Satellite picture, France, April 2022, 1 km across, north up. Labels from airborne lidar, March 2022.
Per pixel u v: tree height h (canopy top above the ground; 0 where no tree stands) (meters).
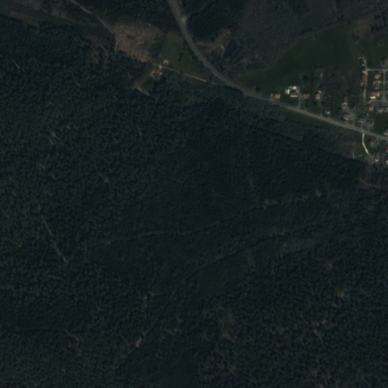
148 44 7
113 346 36
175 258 17
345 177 35
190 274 12
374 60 0
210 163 20
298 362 32
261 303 26
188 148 16
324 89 10
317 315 31
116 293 29
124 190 31
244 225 17
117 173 7
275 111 9
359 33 0
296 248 14
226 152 19
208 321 8
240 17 14
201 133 15
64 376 25
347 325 31
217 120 18
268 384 15
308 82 25
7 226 35
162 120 7
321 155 25
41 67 15
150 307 17
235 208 19
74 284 34
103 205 15
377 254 23
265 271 15
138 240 11
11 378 27
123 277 19
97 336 27
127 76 35
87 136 28
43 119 29
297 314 27
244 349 5
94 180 32
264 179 21
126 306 29
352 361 12
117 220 33
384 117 0
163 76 0
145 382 11
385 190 17
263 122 17
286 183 15
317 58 0
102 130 32
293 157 19
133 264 15
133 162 23
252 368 9
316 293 16
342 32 0
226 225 18
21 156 10
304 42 0
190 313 16
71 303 32
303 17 18
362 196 17
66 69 38
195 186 16
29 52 18
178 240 17
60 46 18
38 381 25
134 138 38
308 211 14
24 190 34
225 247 8
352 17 12
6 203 34
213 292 19
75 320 21
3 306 25
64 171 13
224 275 18
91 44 17
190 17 22
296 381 27
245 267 19
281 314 31
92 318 16
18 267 29
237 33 25
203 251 15
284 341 16
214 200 21
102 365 33
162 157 33
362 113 0
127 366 12
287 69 0
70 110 31
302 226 19
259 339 28
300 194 20
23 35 24
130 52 0
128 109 10
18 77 20
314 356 33
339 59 0
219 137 14
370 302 28
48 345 18
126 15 16
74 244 18
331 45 0
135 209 18
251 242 15
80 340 24
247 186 22
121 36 0
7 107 38
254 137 23
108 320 22
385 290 27
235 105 20
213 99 16
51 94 32
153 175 29
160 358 17
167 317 16
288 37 13
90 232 31
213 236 18
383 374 30
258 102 12
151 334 19
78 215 16
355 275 32
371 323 33
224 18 25
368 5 12
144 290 16
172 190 16
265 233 14
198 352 11
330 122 0
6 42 17
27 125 28
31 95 30
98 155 31
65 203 31
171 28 19
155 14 19
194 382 17
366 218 21
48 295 36
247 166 21
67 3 13
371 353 30
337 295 28
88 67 37
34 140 29
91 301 23
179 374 17
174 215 17
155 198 18
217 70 0
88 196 12
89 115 20
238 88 0
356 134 0
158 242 17
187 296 18
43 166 34
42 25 9
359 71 0
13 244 11
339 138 8
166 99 35
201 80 0
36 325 28
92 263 7
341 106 0
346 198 16
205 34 24
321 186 18
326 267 29
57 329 19
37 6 0
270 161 22
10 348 27
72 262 35
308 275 33
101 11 12
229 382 25
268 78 0
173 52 0
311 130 9
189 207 20
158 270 33
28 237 16
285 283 29
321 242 10
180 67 0
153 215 18
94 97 13
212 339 8
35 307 26
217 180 20
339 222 22
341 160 20
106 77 22
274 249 30
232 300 10
